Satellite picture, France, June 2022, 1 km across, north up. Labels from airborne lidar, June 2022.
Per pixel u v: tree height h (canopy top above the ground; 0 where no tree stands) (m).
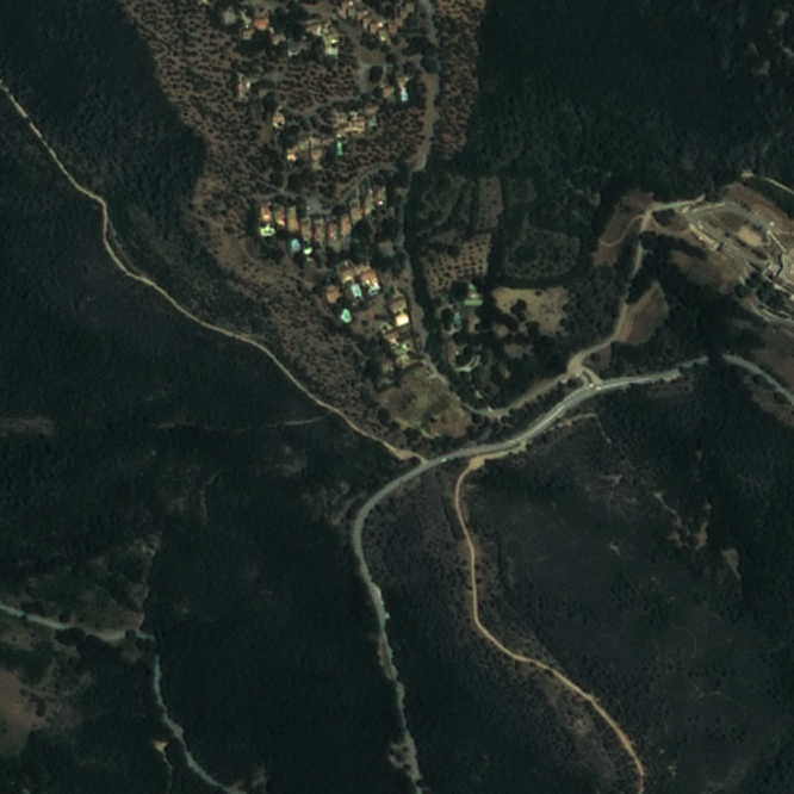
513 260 9
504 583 10
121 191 13
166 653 17
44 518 9
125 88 7
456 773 13
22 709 0
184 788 12
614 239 0
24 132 12
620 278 8
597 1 7
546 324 0
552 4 7
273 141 8
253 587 6
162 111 6
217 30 8
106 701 9
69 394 14
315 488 8
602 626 13
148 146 15
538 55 12
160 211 16
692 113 12
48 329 8
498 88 15
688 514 9
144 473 7
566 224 16
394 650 11
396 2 9
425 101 11
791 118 13
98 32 8
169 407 10
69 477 13
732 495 15
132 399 10
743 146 13
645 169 12
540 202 8
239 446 8
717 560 12
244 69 9
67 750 7
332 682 11
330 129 10
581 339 10
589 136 12
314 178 12
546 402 6
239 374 8
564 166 11
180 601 7
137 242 7
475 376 14
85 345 10
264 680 13
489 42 15
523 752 12
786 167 9
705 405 8
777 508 15
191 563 10
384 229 10
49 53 9
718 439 11
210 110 7
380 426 7
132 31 8
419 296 11
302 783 18
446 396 0
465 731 10
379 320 11
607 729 7
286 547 13
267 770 6
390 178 8
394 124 11
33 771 13
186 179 9
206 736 15
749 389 10
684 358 9
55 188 8
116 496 8
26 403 9
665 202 11
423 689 17
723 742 14
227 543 8
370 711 18
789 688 13
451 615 8
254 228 11
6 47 8
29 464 16
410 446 11
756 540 19
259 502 9
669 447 12
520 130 18
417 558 8
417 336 9
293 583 8
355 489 7
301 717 14
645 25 13
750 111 15
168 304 9
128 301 6
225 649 9
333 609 14
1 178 13
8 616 6
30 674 7
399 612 14
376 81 11
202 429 11
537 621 11
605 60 12
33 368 8
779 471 13
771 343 0
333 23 7
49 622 0
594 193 8
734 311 12
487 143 10
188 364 8
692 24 10
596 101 10
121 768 6
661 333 17
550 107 9
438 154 15
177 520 8
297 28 12
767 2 10
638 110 10
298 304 6
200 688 13
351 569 11
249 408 12
